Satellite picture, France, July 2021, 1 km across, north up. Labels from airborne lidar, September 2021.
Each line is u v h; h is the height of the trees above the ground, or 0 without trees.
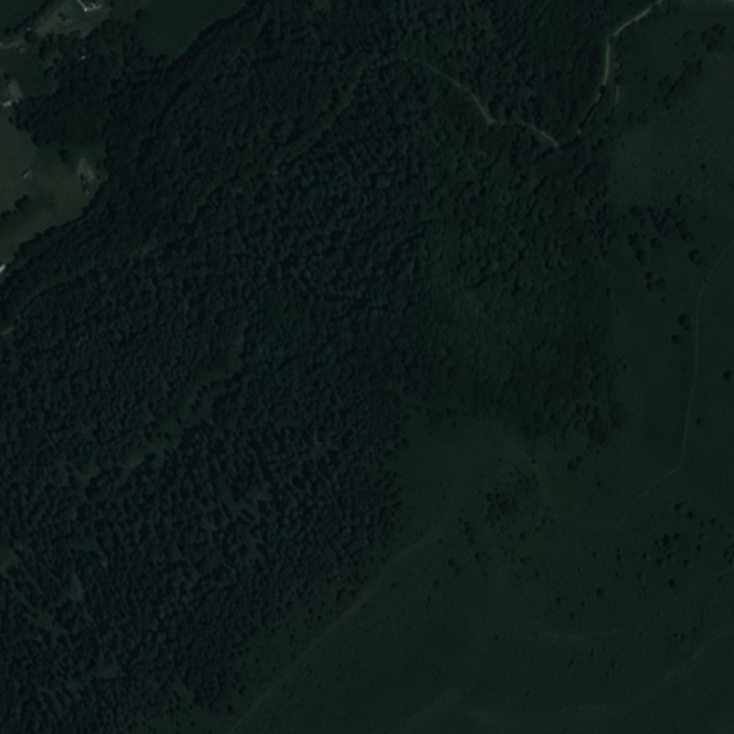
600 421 16
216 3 0
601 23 23
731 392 0
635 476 0
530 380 22
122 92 23
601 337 17
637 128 0
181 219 34
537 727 0
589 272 19
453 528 0
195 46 9
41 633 0
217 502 11
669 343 0
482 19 38
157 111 22
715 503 0
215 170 29
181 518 25
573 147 23
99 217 14
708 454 0
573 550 0
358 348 21
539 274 32
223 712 8
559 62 26
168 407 17
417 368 15
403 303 23
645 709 0
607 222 16
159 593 14
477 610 0
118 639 30
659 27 0
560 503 0
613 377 6
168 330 29
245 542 37
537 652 0
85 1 0
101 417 34
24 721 15
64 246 18
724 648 0
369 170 31
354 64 26
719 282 0
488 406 10
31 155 0
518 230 30
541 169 21
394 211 31
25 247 20
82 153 0
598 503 0
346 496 24
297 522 32
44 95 11
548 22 20
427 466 0
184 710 13
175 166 32
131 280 24
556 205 11
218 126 29
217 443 22
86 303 26
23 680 12
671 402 0
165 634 18
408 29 28
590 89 13
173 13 0
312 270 28
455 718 0
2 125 0
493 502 13
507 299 29
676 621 0
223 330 26
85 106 28
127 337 31
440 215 28
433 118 28
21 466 16
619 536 0
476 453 0
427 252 20
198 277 20
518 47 30
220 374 0
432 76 17
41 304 15
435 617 0
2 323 13
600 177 16
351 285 38
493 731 0
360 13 16
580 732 0
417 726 0
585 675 0
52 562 17
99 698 14
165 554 19
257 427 28
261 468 7
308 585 10
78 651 15
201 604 16
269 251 34
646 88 0
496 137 10
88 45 15
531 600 0
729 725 0
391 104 27
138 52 11
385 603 0
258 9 26
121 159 25
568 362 27
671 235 15
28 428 35
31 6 0
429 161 24
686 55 0
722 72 0
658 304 0
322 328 24
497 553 6
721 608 0
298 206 39
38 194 0
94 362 26
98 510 15
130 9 0
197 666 25
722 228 0
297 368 20
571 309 31
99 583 15
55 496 22
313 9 33
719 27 13
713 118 0
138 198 30
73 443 29
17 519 18
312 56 28
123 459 27
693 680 0
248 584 26
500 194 28
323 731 0
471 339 24
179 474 34
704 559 0
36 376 32
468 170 25
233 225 25
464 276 29
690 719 0
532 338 34
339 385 18
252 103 30
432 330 24
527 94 28
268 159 24
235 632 19
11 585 31
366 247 22
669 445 0
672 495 0
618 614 0
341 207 36
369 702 0
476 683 0
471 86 11
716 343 0
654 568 0
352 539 14
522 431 7
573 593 0
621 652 0
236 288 23
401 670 0
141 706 24
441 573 0
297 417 21
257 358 23
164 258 15
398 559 0
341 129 11
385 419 17
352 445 28
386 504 15
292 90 28
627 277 0
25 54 0
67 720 22
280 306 25
